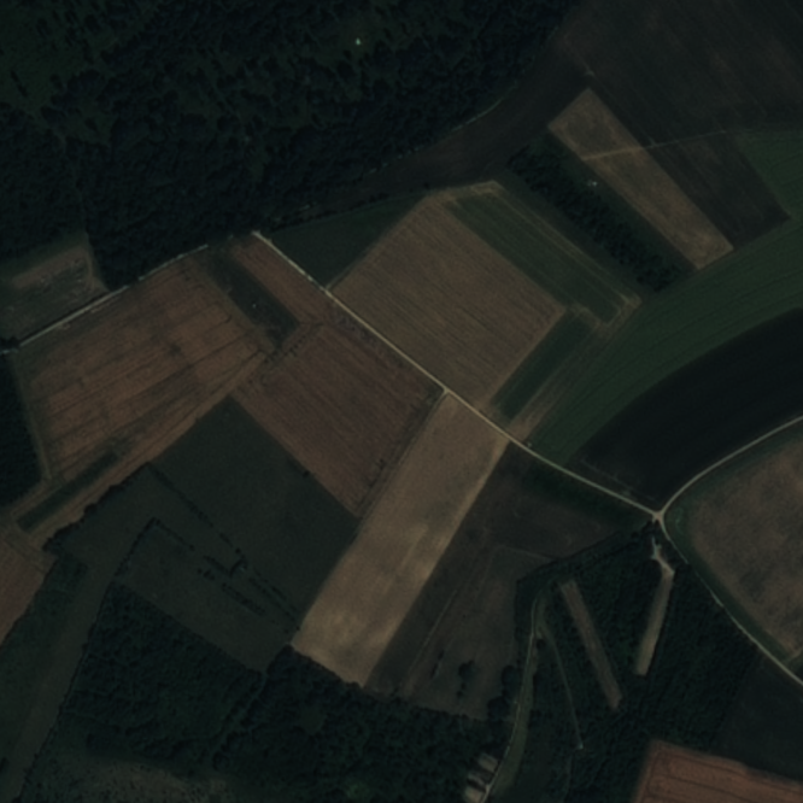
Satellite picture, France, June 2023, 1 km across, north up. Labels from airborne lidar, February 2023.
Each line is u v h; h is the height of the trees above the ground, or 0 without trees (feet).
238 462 0
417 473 0
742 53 0
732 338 0
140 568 0
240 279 0
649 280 18
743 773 0
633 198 0
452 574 0
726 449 0
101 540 0
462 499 0
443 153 0
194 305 0
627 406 0
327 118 0
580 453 0
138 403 0
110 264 64
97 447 0
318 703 20
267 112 78
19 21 0
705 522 0
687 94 0
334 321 0
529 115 0
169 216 72
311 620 0
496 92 55
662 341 0
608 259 0
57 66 0
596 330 0
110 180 42
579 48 0
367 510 0
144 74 52
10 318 0
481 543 0
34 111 0
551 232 0
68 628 0
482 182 0
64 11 0
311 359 0
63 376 0
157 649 39
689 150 0
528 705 0
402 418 0
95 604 0
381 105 63
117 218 74
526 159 22
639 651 0
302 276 0
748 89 0
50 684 0
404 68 79
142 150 59
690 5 0
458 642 0
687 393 0
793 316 0
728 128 0
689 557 0
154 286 0
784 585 0
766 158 0
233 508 0
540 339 0
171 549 0
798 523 0
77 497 0
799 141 0
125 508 0
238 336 0
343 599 0
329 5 50
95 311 0
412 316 0
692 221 0
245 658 0
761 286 0
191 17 70
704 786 0
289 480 0
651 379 0
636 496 0
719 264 0
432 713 29
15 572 0
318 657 0
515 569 0
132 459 0
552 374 0
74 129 0
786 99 0
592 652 0
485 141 0
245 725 41
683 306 0
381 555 0
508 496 0
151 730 36
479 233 0
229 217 89
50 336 0
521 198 0
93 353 0
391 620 0
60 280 0
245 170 77
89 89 60
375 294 0
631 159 0
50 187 26
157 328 0
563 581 0
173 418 0
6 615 0
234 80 47
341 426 0
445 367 0
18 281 0
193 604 0
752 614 0
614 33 0
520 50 65
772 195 0
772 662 0
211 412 0
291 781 21
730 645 26
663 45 0
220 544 0
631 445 0
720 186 0
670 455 0
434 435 0
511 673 49
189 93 64
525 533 0
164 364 0
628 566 24
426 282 0
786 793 0
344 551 0
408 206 0
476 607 0
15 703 0
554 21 61
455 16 0
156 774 0
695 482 0
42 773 0
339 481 0
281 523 0
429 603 0
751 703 0
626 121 0
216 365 0
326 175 72
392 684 0
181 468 0
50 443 0
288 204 75
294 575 0
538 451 0
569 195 27
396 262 0
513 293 0
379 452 0
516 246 0
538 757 0
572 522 0
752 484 0
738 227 0
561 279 0
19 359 0
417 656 0
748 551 0
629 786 24
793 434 0
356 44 0
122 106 62
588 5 0
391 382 0
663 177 0
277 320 0
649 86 0
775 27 0
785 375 0
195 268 0
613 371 0
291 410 0
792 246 0
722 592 0
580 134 0
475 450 0
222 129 57
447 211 0
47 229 37
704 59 0
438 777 50
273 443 0
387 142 73
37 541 0
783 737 0
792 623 0
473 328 0
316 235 0
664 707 21
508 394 0
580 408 0
